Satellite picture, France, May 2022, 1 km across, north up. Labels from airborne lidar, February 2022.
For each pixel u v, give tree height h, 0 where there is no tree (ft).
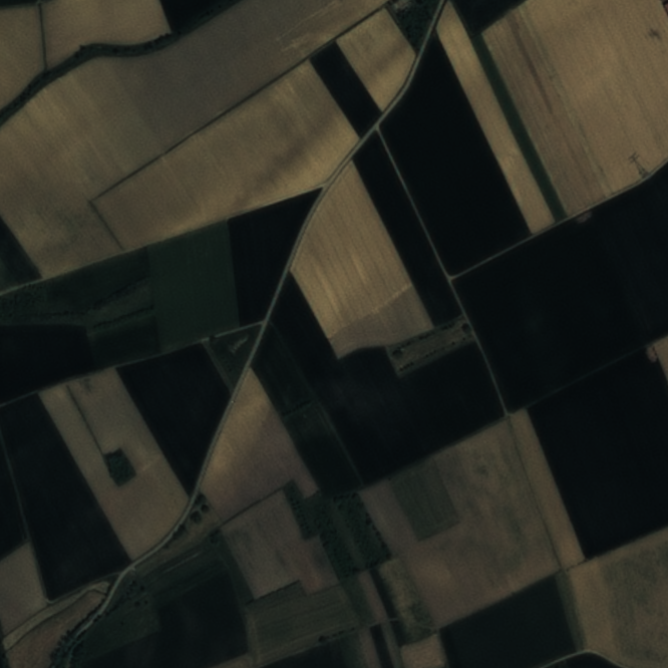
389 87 0
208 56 0
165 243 0
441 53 0
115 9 0
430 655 0
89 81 0
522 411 0
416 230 0
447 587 0
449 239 0
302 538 0
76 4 0
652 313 0
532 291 0
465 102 0
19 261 0
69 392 0
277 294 0
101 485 0
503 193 0
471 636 0
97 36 0
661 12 0
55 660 49
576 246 0
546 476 0
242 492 0
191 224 0
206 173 0
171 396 0
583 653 0
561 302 0
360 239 0
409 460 0
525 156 0
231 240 0
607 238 0
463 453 0
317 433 0
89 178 0
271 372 0
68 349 0
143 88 0
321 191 0
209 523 0
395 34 0
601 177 0
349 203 0
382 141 0
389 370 0
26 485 0
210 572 0
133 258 0
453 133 0
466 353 0
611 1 0
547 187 0
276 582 0
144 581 0
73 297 0
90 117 0
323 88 0
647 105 0
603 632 0
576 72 0
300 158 0
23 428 0
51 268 0
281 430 0
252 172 0
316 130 0
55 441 0
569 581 0
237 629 0
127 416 0
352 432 0
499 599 0
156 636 0
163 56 0
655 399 0
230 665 0
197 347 0
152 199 0
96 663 0
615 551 0
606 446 0
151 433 0
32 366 0
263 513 0
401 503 0
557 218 0
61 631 0
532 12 0
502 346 0
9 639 0
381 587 0
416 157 0
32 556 0
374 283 0
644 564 0
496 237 0
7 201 0
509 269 0
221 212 0
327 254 0
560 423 0
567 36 0
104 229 0
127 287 18
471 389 0
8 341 0
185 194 0
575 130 0
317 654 0
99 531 0
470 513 0
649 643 0
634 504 0
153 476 0
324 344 0
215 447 0
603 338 0
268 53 0
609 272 0
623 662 0
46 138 0
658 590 0
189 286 0
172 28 0
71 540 0
